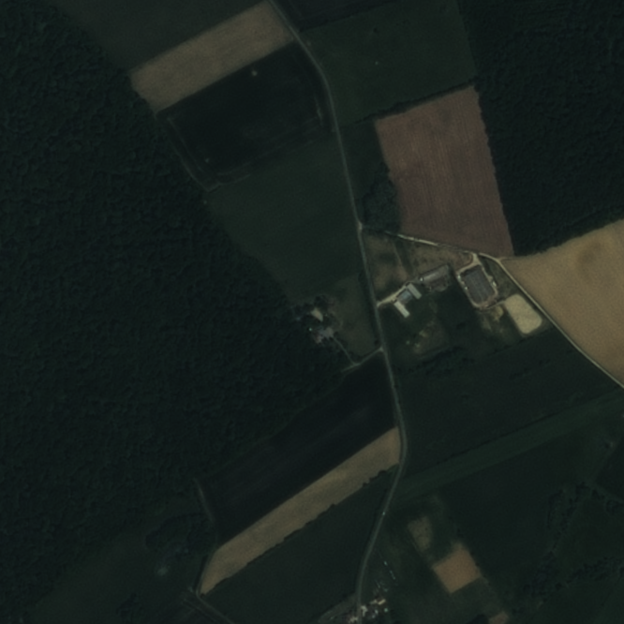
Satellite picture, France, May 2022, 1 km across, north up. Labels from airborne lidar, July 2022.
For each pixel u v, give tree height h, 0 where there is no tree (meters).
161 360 24
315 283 0
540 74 16
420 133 0
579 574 12
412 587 0
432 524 0
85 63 10
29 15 23
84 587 0
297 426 0
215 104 0
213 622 0
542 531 0
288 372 28
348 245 0
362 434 0
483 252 0
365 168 0
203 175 0
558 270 0
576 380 0
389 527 0
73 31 24
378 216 20
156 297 21
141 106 21
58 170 29
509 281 0
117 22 0
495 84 21
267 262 0
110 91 25
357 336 0
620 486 0
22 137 16
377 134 0
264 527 0
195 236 23
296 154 0
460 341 0
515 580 0
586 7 18
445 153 0
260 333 20
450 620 0
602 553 0
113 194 27
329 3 0
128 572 0
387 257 0
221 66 0
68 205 21
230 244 12
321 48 0
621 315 0
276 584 0
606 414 0
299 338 28
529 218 18
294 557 0
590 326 0
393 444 0
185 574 0
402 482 0
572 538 0
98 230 26
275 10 0
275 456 0
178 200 27
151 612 0
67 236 26
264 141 0
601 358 0
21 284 23
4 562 22
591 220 15
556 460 0
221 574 0
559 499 16
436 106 0
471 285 0
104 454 24
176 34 0
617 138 26
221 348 20
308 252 0
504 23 16
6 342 19
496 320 0
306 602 0
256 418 25
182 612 0
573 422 0
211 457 24
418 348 0
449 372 20
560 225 17
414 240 0
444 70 0
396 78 0
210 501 0
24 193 30
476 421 0
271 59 0
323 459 0
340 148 0
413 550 0
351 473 0
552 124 24
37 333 28
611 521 0
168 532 18
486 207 0
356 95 0
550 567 18
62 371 22
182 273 17
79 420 26
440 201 0
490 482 0
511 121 19
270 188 0
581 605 0
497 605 0
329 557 0
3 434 20
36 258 25
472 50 7
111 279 22
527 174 20
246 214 0
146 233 17
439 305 0
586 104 23
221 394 26
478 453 0
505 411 0
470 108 0
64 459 21
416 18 0
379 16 0
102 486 23
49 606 0
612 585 0
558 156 21
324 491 0
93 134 22
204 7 0
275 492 0
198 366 24
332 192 0
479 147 0
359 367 0
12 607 26
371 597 0
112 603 0
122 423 20
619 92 25
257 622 0
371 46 0
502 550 0
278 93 0
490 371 0
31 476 25
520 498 0
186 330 21
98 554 15
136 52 0
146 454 18
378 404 0
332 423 0
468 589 0
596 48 23
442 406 0
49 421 21
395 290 0
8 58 29
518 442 0
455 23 0
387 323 0
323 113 0
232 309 22
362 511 0
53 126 24
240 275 14
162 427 25
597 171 24
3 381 18
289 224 0
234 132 0
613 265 0
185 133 0
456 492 0
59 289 22
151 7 0
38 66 28
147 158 27
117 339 22
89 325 26
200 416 26
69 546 24
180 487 22
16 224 26
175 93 0
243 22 0
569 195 17
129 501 25
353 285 0
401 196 0
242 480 0
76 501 27
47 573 25
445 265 0
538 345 0
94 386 22
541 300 0
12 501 26
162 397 18
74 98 31
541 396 0
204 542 23
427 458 0
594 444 0
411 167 0
